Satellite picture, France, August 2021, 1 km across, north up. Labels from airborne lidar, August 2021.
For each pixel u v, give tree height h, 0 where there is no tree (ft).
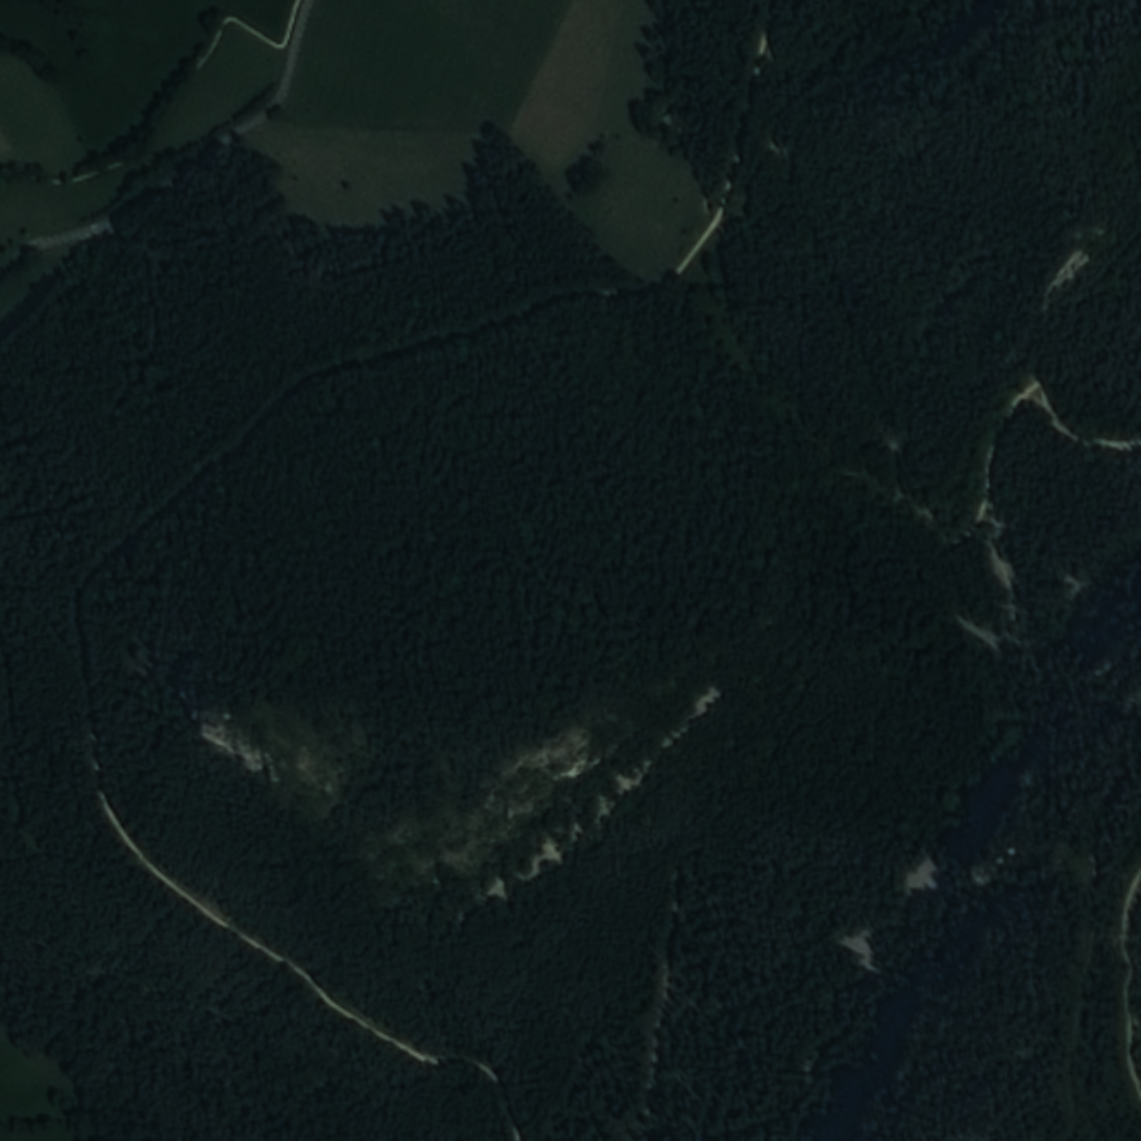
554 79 0
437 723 51
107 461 82
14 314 0
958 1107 32
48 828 40
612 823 52
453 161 0
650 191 0
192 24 0
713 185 35
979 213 39
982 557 41
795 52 45
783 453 73
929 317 46
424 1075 51
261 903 55
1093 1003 36
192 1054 68
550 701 50
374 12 0
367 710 38
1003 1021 43
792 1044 81
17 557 89
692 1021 28
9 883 62
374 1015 59
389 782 43
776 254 50
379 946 73
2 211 0
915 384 47
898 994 66
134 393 61
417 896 60
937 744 51
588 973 73
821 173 39
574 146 0
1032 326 38
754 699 43
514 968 49
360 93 0
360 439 49
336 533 50
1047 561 55
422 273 52
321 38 0
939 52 70
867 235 45
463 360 64
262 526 73
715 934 90
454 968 73
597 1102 76
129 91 0
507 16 0
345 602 51
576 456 60
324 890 63
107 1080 83
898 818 35
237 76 0
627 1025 45
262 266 69
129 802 49
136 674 26
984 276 43
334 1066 40
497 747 45
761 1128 48
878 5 44
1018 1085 27
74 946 43
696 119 54
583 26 0
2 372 85
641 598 77
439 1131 65
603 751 18
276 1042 74
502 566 60
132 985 41
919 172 46
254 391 52
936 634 73
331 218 0
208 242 70
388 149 0
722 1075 52
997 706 32
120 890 65
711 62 54
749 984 30
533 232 65
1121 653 32
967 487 35
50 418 79
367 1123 88
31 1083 0
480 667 62
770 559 35
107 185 0
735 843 42
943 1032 44
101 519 72
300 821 19
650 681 47
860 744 35
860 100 59
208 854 47
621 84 0
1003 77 53
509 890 35
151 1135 79
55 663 83
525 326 52
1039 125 49
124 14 0
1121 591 42
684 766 46
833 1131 73
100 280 58
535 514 65
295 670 33
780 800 45
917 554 67
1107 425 40
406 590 53
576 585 60
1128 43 47
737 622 41
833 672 51
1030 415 59
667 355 60
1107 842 50
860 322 65
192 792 67
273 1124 66
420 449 62
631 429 57
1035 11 52
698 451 68
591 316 54
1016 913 32
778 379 37
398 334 58
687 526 55
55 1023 81
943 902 69
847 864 27
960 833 42
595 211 0
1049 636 29
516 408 66
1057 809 22
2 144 0
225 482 51
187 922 44
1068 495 43
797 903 60
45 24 0
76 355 59
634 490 61
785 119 40
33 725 71
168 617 53
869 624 76
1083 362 73
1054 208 49
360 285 71
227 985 46
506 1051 74
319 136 0
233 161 47
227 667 41
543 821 34
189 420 57
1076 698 50
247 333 61
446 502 63
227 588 67
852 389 48
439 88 0
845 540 59
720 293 43
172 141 0
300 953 63
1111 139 72
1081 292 60
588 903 71
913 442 23
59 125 0
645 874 58
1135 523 69
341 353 65
